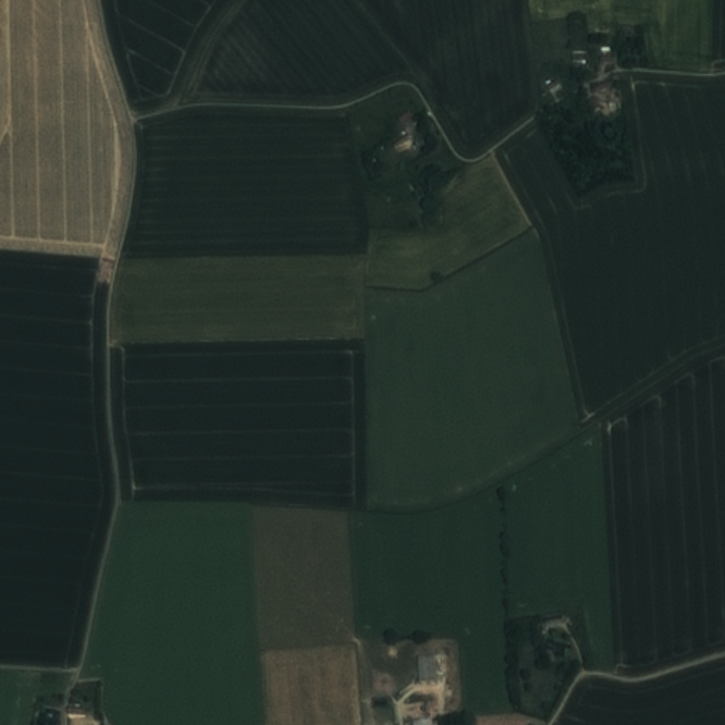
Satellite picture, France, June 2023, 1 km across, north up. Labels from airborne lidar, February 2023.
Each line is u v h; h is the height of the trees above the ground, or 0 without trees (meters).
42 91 0
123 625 0
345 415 0
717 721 0
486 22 0
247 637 0
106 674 0
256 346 0
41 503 0
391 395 0
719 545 0
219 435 0
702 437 0
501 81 0
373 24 0
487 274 0
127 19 0
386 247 0
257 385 0
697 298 0
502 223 0
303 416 0
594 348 0
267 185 0
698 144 0
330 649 0
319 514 0
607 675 0
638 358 0
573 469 0
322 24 0
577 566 0
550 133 8
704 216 0
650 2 0
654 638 0
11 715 0
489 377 0
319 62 0
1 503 0
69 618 0
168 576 0
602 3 0
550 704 7
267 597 0
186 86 0
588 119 7
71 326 0
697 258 0
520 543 0
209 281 0
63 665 0
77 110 0
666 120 0
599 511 0
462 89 0
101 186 0
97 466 0
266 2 0
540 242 0
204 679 0
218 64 0
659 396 0
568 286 0
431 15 0
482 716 0
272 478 0
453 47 0
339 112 0
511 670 9
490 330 0
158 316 0
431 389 0
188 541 0
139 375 0
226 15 0
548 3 0
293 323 0
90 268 0
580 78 13
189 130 0
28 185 0
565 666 11
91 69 0
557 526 0
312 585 0
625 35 10
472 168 0
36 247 0
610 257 0
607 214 0
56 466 0
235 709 0
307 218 0
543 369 0
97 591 0
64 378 0
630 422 0
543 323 0
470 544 0
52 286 0
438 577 0
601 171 8
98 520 0
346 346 0
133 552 0
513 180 0
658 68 0
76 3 0
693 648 0
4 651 0
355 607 0
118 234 0
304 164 0
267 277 0
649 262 0
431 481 0
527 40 0
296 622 0
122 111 0
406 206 0
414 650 0
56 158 0
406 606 0
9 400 0
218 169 0
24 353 0
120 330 0
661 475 0
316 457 0
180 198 0
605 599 0
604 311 0
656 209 0
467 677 0
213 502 0
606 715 0
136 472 0
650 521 0
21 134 0
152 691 0
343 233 0
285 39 0
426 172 8
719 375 0
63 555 0
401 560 0
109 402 0
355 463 0
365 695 0
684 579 0
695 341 0
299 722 0
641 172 0
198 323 0
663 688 0
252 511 0
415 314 0
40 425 0
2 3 0
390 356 0
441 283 10
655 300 0
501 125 0
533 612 0
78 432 0
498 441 0
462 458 0
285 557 0
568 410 0
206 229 0
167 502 0
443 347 0
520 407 0
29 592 0
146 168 0
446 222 0
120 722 0
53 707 0
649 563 0
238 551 0
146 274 0
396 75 0
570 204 0
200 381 0
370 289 0
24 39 0
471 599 0
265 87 0
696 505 0
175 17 0
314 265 0
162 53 0
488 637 0
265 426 0
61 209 0
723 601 0
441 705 0
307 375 0
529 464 0
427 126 15
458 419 0
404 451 0
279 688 0
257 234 0
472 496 0
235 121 0
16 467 0
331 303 0
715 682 0
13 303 0
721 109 0
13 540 0
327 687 0
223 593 0
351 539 0
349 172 0
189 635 0
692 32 0
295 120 0
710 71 0
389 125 0
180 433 0
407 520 0
